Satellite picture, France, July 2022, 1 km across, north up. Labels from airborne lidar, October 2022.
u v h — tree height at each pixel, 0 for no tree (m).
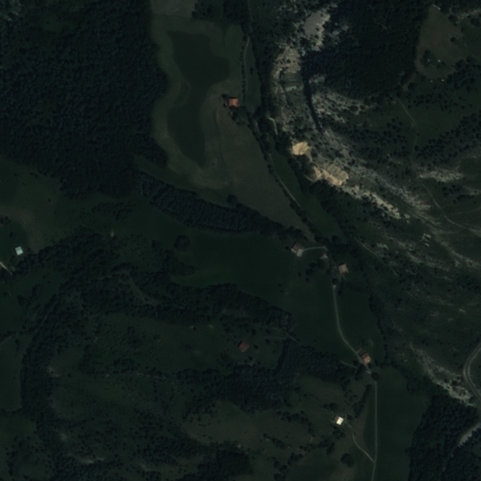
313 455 0
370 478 0
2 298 0
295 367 22
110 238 6
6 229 0
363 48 17
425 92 0
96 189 9
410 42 22
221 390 12
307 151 0
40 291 9
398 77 23
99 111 36
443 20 0
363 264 10
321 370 21
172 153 0
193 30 0
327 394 0
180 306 7
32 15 9
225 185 0
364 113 6
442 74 0
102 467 16
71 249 23
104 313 6
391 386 0
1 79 18
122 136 36
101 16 20
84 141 33
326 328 0
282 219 0
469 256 0
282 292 6
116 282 6
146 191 21
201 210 26
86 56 7
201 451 6
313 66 19
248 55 0
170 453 13
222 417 0
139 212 0
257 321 15
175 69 0
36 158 29
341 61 22
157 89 28
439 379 0
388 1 25
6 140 35
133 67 34
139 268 10
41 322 15
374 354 0
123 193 25
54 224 0
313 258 0
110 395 0
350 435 0
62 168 29
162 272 6
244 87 7
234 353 0
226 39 0
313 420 0
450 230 0
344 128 6
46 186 0
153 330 0
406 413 0
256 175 0
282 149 20
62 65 17
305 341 0
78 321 6
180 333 0
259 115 20
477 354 0
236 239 0
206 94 0
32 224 0
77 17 8
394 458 0
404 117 0
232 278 0
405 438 0
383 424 0
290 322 24
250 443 0
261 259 0
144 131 23
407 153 10
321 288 0
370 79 14
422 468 25
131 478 0
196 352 0
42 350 14
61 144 29
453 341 0
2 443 0
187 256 0
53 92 34
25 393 19
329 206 20
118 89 36
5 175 0
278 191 0
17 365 0
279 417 7
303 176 16
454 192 10
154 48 14
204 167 0
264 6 7
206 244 0
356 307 0
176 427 6
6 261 0
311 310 0
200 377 16
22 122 26
